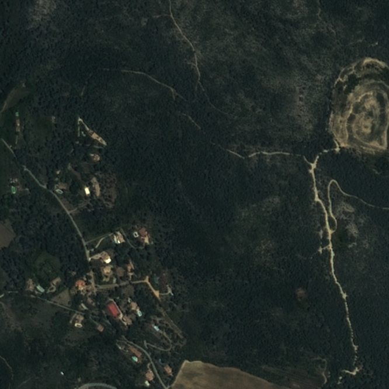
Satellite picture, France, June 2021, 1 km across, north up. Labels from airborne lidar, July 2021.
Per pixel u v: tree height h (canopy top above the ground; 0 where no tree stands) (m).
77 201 10
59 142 16
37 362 5
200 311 11
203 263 9
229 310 10
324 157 7
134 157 8
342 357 9
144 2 6
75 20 10
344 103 7
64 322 5
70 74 8
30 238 7
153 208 12
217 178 11
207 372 0
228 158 7
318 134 8
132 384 9
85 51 7
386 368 7
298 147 7
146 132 6
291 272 9
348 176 9
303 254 7
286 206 12
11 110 9
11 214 7
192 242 5
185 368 0
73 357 6
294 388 0
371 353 10
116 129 12
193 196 7
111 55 7
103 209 9
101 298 15
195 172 9
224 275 11
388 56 8
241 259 8
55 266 0
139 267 7
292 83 0
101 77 8
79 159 19
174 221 9
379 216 7
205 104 13
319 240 7
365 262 6
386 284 8
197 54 0
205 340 10
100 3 13
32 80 7
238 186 8
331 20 7
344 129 0
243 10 8
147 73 7
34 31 11
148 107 7
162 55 11
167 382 8
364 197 9
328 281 10
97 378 7
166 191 10
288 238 9
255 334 7
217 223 10
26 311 7
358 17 6
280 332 8
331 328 12
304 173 8
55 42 10
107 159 12
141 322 12
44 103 13
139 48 7
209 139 10
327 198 6
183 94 9
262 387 0
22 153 18
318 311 6
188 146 7
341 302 6
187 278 10
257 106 7
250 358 8
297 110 0
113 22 8
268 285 12
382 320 6
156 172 11
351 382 15
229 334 11
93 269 10
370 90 0
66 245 12
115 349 11
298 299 14
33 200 7
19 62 19
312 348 11
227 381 0
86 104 12
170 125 9
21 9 7
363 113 0
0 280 0
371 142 0
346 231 9
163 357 10
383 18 8
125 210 8
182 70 7
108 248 6
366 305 9
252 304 13
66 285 12
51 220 18
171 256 7
